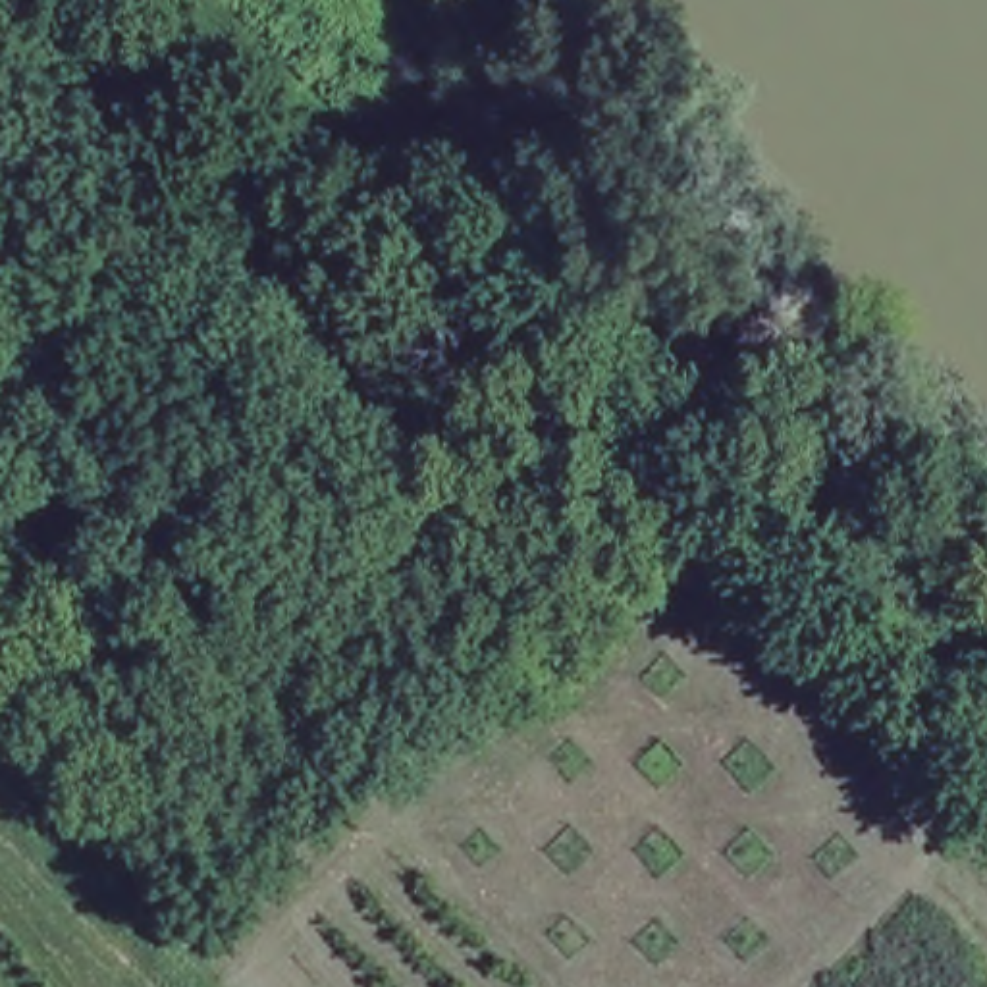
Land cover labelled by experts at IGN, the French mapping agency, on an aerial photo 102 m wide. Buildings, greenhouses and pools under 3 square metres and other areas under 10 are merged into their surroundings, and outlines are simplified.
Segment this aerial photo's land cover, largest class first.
<instances>
[{"label":"deciduous trees","instance_id":"1","mask_svg":"<svg viewBox=\"0 0 987 987\"><path fill-rule=\"evenodd\" d=\"M756 96L752 81L702 58L682 0H0V760L27 771V779L50 798L46 814L35 817L31 829L54 848V856L69 840H96L108 856L147 875V902L162 933V945L181 941L193 956H231L235 941L258 925L262 902L285 906L293 883L312 879L305 864L293 856L297 840L332 852L335 833L355 829L366 798H382L389 806H409L420 798L428 802L440 790L436 775L443 771L447 779H455V763L463 756L474 760L490 752L497 729H524L528 721L547 729L578 713L594 682L605 679L609 667L632 648L636 632L652 621V613L667 605V590L682 574L690 586L709 590V605L717 609V625L733 648H740L744 636H756L767 671L790 675L794 682H814L825 694V721L840 729L829 748H840L860 767H867L879 779L883 798L921 806L945 833V860H960L964 867L987 871V405L975 397L964 374L945 370L925 351L921 312L902 285L856 281L837 289V274L825 266L833 254V239L821 231L817 216L802 212L798 189H790L779 177V170L763 158L756 131H748L744 123V112ZM405 898L420 914L436 906L443 914L436 929L463 948V960L474 968L478 956L490 952L486 937H478L474 925L459 921L447 910V898L432 891L428 875L420 871V887ZM320 941L335 960L347 964L359 987H393V979L366 960L359 945H347V937L332 925L320 933ZM389 945L397 948L401 964L413 968L428 987H459L436 956L416 948L409 929H397Z\"/></svg>","mask_w":987,"mask_h":987},{"label":"herbaceous vegetation","instance_id":"2","mask_svg":"<svg viewBox=\"0 0 987 987\"><path fill-rule=\"evenodd\" d=\"M840 729L825 721V694L814 682H794L790 675L767 671L756 636H744L740 648H733L717 625V609L709 605V590L690 586L682 574L667 590V605L652 613V621L636 632L632 648L609 667L605 679L594 682L578 713L547 729L528 721L524 729H497L490 752L474 760L463 756L455 763V779H447L443 771L436 775L440 790L428 802L420 798L409 806H389L382 798H366L355 829L335 833L332 852L297 840L293 856L305 864L312 879L293 883L285 906L262 902L258 925L235 941L231 956H193L181 941L162 945V933L147 902V875L108 856L96 840H69L54 856V848L31 829L35 817L46 814L50 798L27 779V771L0 760V987H359L347 964L335 960L320 941V933L332 925L347 937V945H359L366 960L393 979V987H428L413 968L401 964L397 948L389 945L397 929H409L416 948L436 956L459 987H810L821 968H833L848 952H856L864 933L879 925L906 894H921L937 910H945L964 933V941L975 945L987 960V871L964 867L960 860H945V833L921 806L883 798L879 779L867 767H860L840 748H829ZM420 871L428 875L432 891L447 898V910L459 921L474 925L478 937H486L490 952L478 956L474 968L463 960V948L436 929L443 914L436 906L420 914L405 898L420 887Z\"/></svg>","mask_w":987,"mask_h":987},{"label":"water","instance_id":"3","mask_svg":"<svg viewBox=\"0 0 987 987\"><path fill-rule=\"evenodd\" d=\"M702 58L752 81L756 96L744 112V123L748 131H756L763 158L779 170V177L790 189H798L802 212L817 216L821 231L833 239V254L825 266L837 274V289L856 281L902 285L921 312L925 351L945 370L964 374L975 397L987 405V0H682Z\"/></svg>","mask_w":987,"mask_h":987},{"label":"agricultural land","instance_id":"4","mask_svg":"<svg viewBox=\"0 0 987 987\"><path fill-rule=\"evenodd\" d=\"M810 987H987V960L975 945L964 941V933L945 910H937L921 894H906L879 925L864 933L856 952H848L833 968H821Z\"/></svg>","mask_w":987,"mask_h":987}]
</instances>
